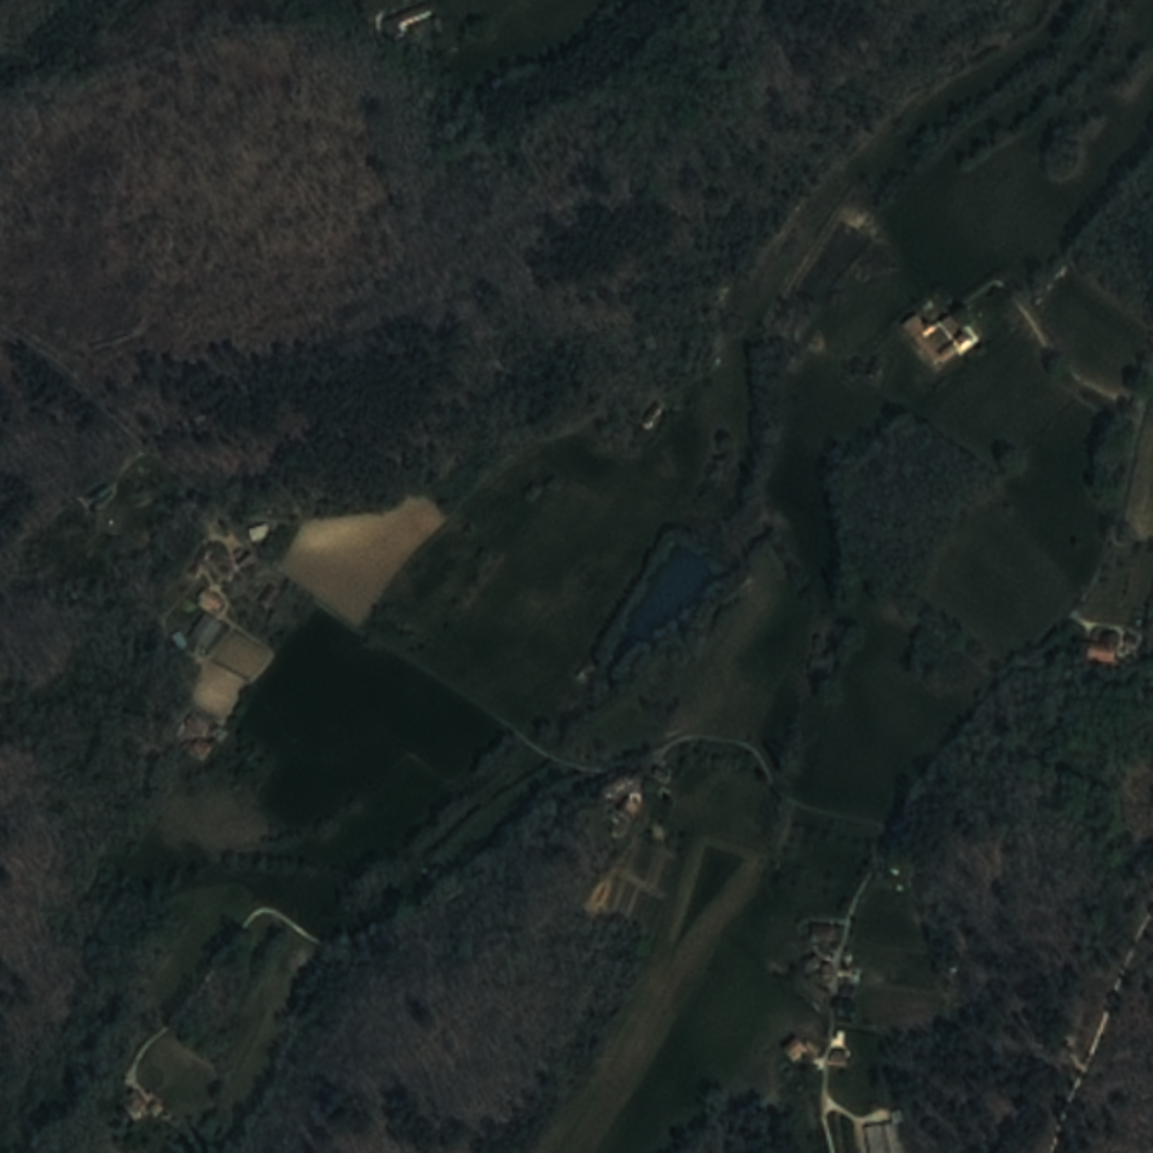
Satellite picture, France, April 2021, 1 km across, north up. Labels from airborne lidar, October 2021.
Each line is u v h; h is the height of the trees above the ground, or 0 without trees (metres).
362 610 0
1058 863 16
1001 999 22
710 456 0
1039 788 16
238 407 22
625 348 18
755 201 23
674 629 14
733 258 16
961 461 18
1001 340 0
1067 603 0
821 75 23
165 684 20
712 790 0
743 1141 18
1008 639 0
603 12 10
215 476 18
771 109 17
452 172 16
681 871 0
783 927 0
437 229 21
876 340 0
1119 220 23
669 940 0
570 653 0
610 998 23
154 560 17
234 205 22
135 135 14
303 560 0
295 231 21
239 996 26
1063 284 0
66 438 14
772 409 16
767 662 0
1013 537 0
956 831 17
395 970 29
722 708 0
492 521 0
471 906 20
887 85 22
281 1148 20
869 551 23
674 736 0
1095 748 19
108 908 12
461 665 0
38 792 23
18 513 16
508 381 21
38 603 21
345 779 0
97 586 14
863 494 20
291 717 0
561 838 21
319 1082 15
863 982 0
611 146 21
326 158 7
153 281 11
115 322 0
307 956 0
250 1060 0
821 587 0
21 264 0
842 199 0
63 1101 0
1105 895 9
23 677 14
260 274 7
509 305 23
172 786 23
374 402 25
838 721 0
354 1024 18
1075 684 16
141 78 17
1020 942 19
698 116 22
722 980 0
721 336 24
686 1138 14
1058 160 21
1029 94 6
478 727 0
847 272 0
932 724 0
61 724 13
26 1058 19
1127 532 13
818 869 0
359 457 26
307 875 16
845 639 15
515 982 18
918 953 0
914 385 0
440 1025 17
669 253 25
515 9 0
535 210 12
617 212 19
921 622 13
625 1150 0
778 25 23
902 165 0
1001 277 0
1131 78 12
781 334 0
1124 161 0
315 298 7
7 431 14
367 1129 15
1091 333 0
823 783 0
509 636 0
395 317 15
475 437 24
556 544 0
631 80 20
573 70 17
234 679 0
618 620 13
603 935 16
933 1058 21
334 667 0
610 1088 0
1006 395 0
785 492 0
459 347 23
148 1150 8
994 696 10
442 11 0
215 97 21
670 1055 0
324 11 18
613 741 0
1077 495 0
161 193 18
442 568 0
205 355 14
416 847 16
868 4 26
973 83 0
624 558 0
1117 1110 18
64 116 21
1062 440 0
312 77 21
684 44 23
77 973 22
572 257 26
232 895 0
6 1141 15
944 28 18
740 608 0
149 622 16
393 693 0
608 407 21
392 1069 18
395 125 20
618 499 0
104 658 20
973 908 20
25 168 19
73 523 9
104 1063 25
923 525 19
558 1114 24
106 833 19
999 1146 16
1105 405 0
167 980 0
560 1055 20
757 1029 0
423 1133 27
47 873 16
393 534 0
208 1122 13
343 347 8
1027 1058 14
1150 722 20
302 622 10
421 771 0
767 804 0
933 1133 28
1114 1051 7
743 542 0
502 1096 21
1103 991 7
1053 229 0
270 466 11
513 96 16
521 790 0
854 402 0
